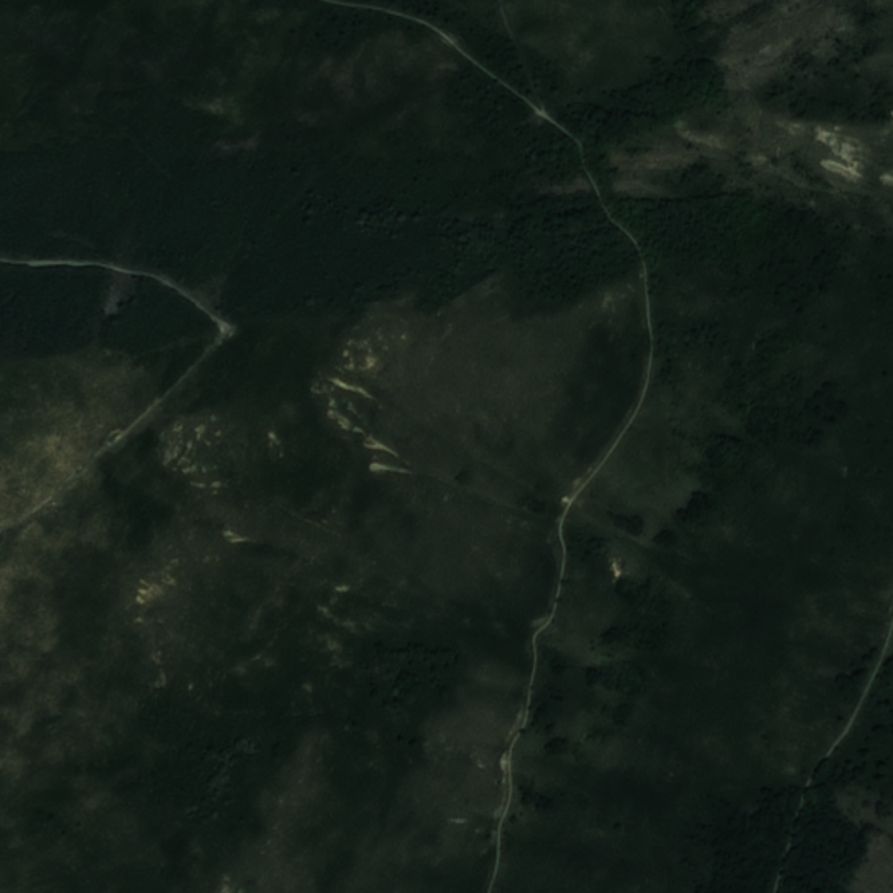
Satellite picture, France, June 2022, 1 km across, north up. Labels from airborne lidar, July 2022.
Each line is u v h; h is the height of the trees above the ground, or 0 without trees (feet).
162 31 0
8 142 0
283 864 0
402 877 0
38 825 0
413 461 0
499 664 0
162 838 0
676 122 23
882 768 54
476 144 0
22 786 0
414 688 44
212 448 0
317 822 0
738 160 25
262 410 0
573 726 0
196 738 0
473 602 0
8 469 0
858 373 0
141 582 0
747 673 0
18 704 0
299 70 0
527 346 0
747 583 0
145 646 0
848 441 0
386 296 0
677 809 0
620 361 0
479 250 29
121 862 0
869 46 22
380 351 0
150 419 0
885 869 0
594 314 0
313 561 0
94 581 0
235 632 0
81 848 0
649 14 0
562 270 27
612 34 0
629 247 24
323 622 0
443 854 0
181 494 0
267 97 0
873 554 0
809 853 50
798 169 30
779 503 0
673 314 0
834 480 0
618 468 0
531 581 0
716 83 45
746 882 56
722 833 29
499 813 0
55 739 0
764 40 0
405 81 0
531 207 26
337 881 0
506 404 0
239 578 0
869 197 21
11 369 0
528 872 0
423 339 0
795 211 37
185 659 0
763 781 0
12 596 0
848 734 0
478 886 0
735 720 0
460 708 0
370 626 0
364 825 0
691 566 0
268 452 0
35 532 0
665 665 0
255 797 0
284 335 0
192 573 0
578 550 18
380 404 0
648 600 33
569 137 36
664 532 37
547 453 0
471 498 0
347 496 0
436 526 0
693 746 0
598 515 0
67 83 0
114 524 0
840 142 0
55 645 0
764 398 31
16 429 0
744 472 33
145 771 0
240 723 0
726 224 37
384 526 0
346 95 0
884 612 0
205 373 0
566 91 0
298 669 0
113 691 0
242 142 0
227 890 0
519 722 0
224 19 0
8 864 0
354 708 0
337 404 0
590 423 0
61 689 0
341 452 0
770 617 0
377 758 0
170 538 0
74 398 0
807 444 24
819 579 0
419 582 0
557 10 0
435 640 0
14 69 0
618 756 0
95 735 0
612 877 0
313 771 0
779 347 20
